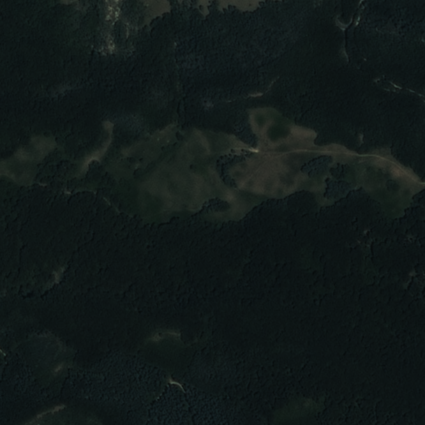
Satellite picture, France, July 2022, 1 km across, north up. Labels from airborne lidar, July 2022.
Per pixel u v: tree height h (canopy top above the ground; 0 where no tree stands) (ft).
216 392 45
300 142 0
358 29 51
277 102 43
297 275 70
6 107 67
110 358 88
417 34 37
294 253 72
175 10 49
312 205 54
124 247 68
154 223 39
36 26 65
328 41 56
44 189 56
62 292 94
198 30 37
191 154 0
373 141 42
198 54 31
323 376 74
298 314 90
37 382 42
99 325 82
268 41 36
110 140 0
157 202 0
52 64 73
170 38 55
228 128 46
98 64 41
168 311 50
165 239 86
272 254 73
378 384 75
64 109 57
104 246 90
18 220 64
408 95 50
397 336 27
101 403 66
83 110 75
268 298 52
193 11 31
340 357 81
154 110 36
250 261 29
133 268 79
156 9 0
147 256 75
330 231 82
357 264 69
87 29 36
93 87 45
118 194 17
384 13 43
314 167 45
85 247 64
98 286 66
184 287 50
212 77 32
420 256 65
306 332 65
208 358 42
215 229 32
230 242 63
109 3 0
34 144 0
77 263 76
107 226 75
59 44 58
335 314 59
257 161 0
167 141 0
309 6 20
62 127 64
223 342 33
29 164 0
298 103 48
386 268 68
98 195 45
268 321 56
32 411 50
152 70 52
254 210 39
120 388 85
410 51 47
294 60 33
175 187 0
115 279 73
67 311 93
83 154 32
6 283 58
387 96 57
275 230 85
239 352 40
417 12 40
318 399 39
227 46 21
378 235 64
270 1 40
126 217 55
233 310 54
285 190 0
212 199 35
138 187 0
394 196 0
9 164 0
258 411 42
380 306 85
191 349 23
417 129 33
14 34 62
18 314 45
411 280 67
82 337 81
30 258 71
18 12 59
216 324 58
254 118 0
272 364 48
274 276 50
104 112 44
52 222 78
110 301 75
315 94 61
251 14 48
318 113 61
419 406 51
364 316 76
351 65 34
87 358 59
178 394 72
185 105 39
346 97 64
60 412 25
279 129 0
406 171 0
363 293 55
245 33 30
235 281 69
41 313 57
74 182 31
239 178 0
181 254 75
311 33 66
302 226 71
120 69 62
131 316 58
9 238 65
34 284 26
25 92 88
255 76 28
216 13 37
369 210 56
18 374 55
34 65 74
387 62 42
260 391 49
